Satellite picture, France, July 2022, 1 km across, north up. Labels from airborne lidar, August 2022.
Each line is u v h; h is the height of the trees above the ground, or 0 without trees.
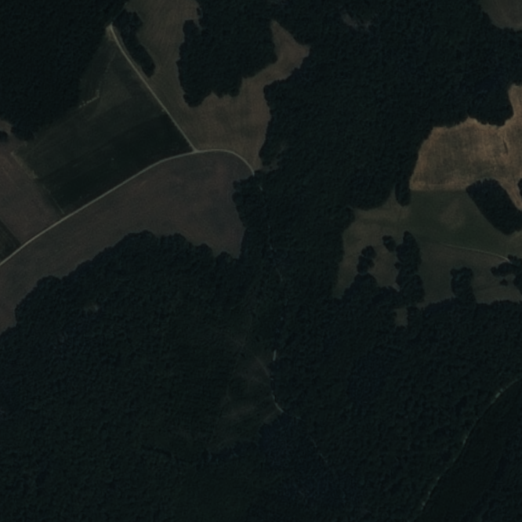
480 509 25
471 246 0
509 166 0
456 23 15
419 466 21
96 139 0
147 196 0
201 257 16
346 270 0
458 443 24
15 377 22
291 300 17
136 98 0
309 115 19
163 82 0
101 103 0
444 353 23
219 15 17
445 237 0
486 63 19
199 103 15
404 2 10
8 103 16
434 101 21
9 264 0
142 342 21
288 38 0
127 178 0
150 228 0
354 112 15
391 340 11
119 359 20
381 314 24
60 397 16
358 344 17
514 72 14
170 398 20
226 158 0
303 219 16
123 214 0
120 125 0
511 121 0
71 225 0
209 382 8
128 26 23
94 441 14
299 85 15
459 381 24
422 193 0
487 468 11
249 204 16
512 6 0
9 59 23
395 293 22
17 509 16
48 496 18
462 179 0
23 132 16
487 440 11
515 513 20
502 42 20
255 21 21
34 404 16
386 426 19
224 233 0
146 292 18
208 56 14
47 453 15
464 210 0
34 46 20
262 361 0
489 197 28
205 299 9
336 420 18
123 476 19
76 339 17
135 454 21
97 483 17
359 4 11
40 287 14
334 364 22
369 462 23
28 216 0
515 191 0
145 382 16
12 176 0
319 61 17
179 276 15
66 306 15
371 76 17
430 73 10
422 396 24
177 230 0
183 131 0
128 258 22
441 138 0
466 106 18
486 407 14
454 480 9
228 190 0
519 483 27
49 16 24
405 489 23
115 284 18
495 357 21
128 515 23
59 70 22
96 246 0
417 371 17
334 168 16
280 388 20
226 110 0
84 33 18
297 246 17
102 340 10
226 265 17
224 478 10
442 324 16
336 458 22
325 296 16
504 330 16
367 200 14
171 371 18
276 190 8
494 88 23
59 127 0
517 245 0
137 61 15
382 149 17
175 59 0
